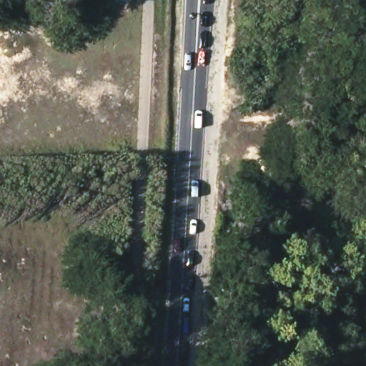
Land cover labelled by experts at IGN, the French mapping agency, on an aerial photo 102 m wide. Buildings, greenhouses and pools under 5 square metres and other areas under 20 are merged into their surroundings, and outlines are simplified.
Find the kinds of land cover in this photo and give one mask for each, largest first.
<instances>
[{"label":"deciduous trees","instance_id":"1","mask_svg":"<svg viewBox=\"0 0 366 366\"><path fill-rule=\"evenodd\" d=\"M94 0H0V30L9 31L41 27L53 43L54 49L63 53L84 50L86 43L106 39L117 23L113 17H104L103 24L86 30L83 24L77 21L80 13L87 9V3ZM236 30L233 51L224 61L227 67L224 71L226 86L232 87L239 94H243L244 103L237 107L244 116H253L259 112H283V116L277 117L269 124L264 133L263 146L259 149V157L256 160L244 159L240 162V170L236 173L230 194L232 209L224 210L217 216L214 256L210 263L212 270L209 273L197 274L203 286H209L210 296L214 297L216 305L206 315L212 323L203 330L204 345L200 346L196 366H366V0H242L239 6L234 7ZM122 259L120 254L116 253L114 240L97 234L87 230L71 237L69 246L64 249L61 262L69 267L63 272V287H67L71 295L83 296L89 300L96 302L99 307H104L103 315L93 316V319H80L79 336L74 345L83 347L84 352L74 353L67 349L63 359L43 360L33 366H159L144 353L160 322L156 303L146 302L144 297H133L123 292L132 282L133 276L124 272L114 274L117 264Z\"/></svg>","mask_w":366,"mask_h":366},{"label":"herbaceous vegetation","instance_id":"2","mask_svg":"<svg viewBox=\"0 0 366 366\"><path fill-rule=\"evenodd\" d=\"M126 0H94L87 3V9L80 13L77 21L83 24L86 30L103 24L104 17H113L117 23L106 39L86 43L84 50L63 53L54 49L53 43L41 27L9 31L7 57L16 56L26 47L30 50V56L14 63L4 74L3 79H10L13 74L19 79L17 86L23 94L16 102L7 100V106H4L1 112L3 123H0V159L3 160L6 169H10V162L21 163L23 153H30L33 150L63 152L64 149L74 147L76 150L96 149L114 152L119 150L120 144H124V140H130L137 147L143 6L133 10L124 9ZM104 74H112V84L119 87V96L103 94L99 106L81 107L77 103V97L73 99L67 91L57 89V81L64 77L76 80L77 86L84 90L93 86L94 81H102ZM177 0H153V51L156 53V63L153 67L154 96H150L147 149L167 150L174 149ZM244 103L243 94H239L232 102L229 116L220 129L217 172L220 200L217 204V216L224 210L232 209L230 194L236 173L240 170V162L244 159L256 160L259 157V149L263 146L264 133L269 124L243 122L244 116L237 107ZM87 210L76 213L67 209L66 204H61L59 209L50 213V220L37 222L36 216H33L27 222L9 224L0 217V366H33L43 360L63 359L67 349L74 353L84 352L83 347L74 345L79 336L80 319V313L89 300L83 296L71 295L67 287H63V272L69 267L61 262L64 249L69 246L71 237L87 230L97 234L104 217L109 216L107 210H104L99 219H93Z\"/></svg>","mask_w":366,"mask_h":366},{"label":"impervious surface","instance_id":"3","mask_svg":"<svg viewBox=\"0 0 366 366\"><path fill-rule=\"evenodd\" d=\"M242 0H177L174 149L167 150L147 149L150 96H154L153 67L156 63V53L153 51V0H126L124 9L133 10L143 6L137 147L140 149L137 163L140 172L139 176L133 179L130 192L132 222L129 224L132 227V234L127 239L129 247L123 249V253L120 254L122 259L117 264L114 274L124 272L133 276L132 282L123 292L133 297H144L146 302L156 303L160 322L144 353L159 366H196L200 346L204 345L203 330L212 323L206 315L216 305L214 297L210 296L209 286H203L197 274L209 273L212 270L210 263L214 256L217 216V204L220 200L217 172L220 129L229 116L232 102L239 94L232 87L226 86L224 71L227 67L224 61L233 51L236 30L234 7L239 6ZM147 156L162 157L166 164L163 219L159 229V246L154 254L160 263L159 270L144 267L147 247L143 239V216L146 207L144 197L147 179L152 173L146 162Z\"/></svg>","mask_w":366,"mask_h":366},{"label":"brushwood","instance_id":"4","mask_svg":"<svg viewBox=\"0 0 366 366\"><path fill-rule=\"evenodd\" d=\"M140 149L137 147L130 140H124V144H120L119 150L114 152L96 149L76 150L74 147L64 149L63 152L33 150L30 153H23L21 163L10 162V169H6L3 160L0 159V217L9 224L27 222L33 216H36L37 222L50 220V213L59 209L61 204H66L67 209L76 213L87 210L93 219H99L104 210H107L109 216L104 217L97 234L114 240L116 253L120 254L123 253V249L129 247L127 239L132 234V227L129 224L132 222L130 192L133 179L139 176L140 172L137 163ZM146 162L152 173L147 179L144 197L146 207L143 216V239L147 247L144 267L159 270L160 263L154 254L159 246V229L163 219L166 164L162 157L147 156ZM104 307H99L96 302L89 300L80 313V319H93V316L103 315Z\"/></svg>","mask_w":366,"mask_h":366},{"label":"bare soil","instance_id":"5","mask_svg":"<svg viewBox=\"0 0 366 366\"><path fill-rule=\"evenodd\" d=\"M9 31L0 30V123H3L1 112L4 106H7V100L16 102L23 94L17 86L19 79L13 74L10 79H3L4 74L14 63L30 56V50L26 47L16 56L7 57ZM112 74H104L102 81H94L93 86L84 90L77 86L76 80L64 77L57 81V89L67 91L73 99L77 97V103L81 107L99 106L103 94L119 96V87L112 84Z\"/></svg>","mask_w":366,"mask_h":366},{"label":"pervious surface","instance_id":"6","mask_svg":"<svg viewBox=\"0 0 366 366\"><path fill-rule=\"evenodd\" d=\"M283 116V112H259L253 116H244L243 122L269 124L277 117Z\"/></svg>","mask_w":366,"mask_h":366}]
</instances>
